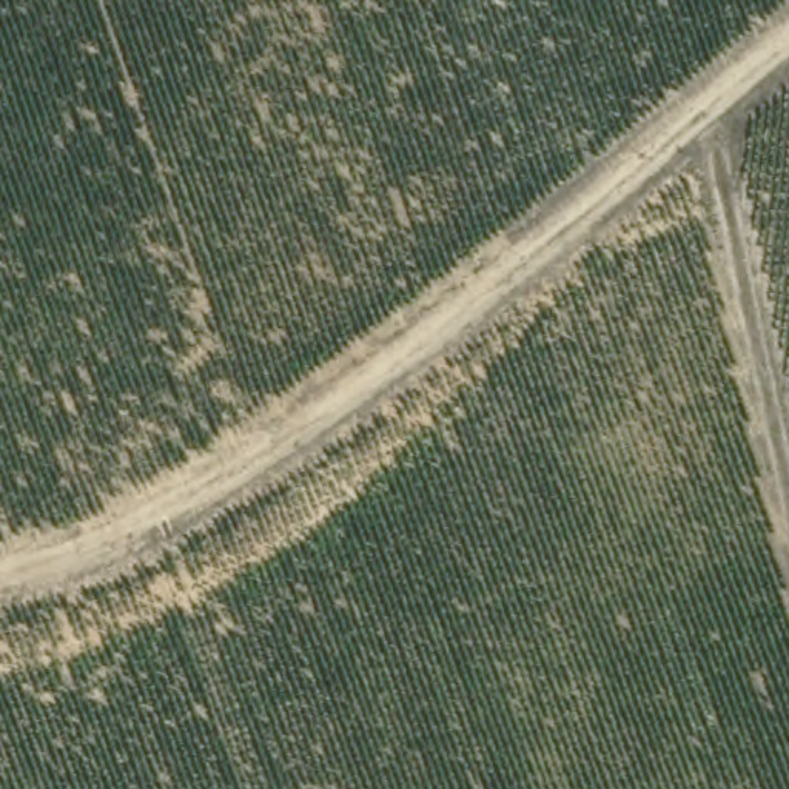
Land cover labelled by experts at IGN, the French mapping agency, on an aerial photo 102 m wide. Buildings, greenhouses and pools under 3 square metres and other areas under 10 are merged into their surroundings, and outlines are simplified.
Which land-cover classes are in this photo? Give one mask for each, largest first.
<instances>
[{"label":"vineyard","instance_id":"1","mask_svg":"<svg viewBox=\"0 0 789 789\"><path fill-rule=\"evenodd\" d=\"M783 0H0V539H12L22 527H62L71 521H83L102 512V505L111 496H120L133 484H145L166 468L182 465L194 450H206L222 428L240 425L250 422V416L259 407H265L271 395L287 391L296 379L321 367L324 361L336 358L351 339L382 324L395 308L413 302L431 280L444 277L465 256H472L478 243L490 240L512 219H518L555 182L567 179L576 166H583L586 157L601 154L610 139L632 129V126L641 114L656 108L666 89L684 86L721 49L740 40L749 31L752 15H771ZM755 111L743 123V154L737 160L740 176H746L749 182L746 197L752 203V225L758 228L761 262L771 277L767 290L774 299V327L783 345V373L789 376V80L780 83V92L774 99H752ZM709 237L697 219L656 237L638 240L626 250H616L613 259L604 256L601 247L589 250L583 256V284H567L564 290H555L552 305H542L536 311L518 348L496 354L481 339H447L438 351L373 388L354 410H345L327 428H321L317 438L296 444L287 456L265 465L256 478L228 490L222 499L185 512L145 533H126V552L120 558L68 570L62 576V586L55 589L59 595L37 598L28 586L0 589V789H789V616L783 607V570L777 564L771 542L774 527L758 487V459L749 444V413L737 379L730 376L734 348L721 321L724 302L715 290V274L706 256Z\"/></svg>","mask_w":789,"mask_h":789},{"label":"herbaceous vegetation","instance_id":"2","mask_svg":"<svg viewBox=\"0 0 789 789\"><path fill-rule=\"evenodd\" d=\"M789 18V0H783L771 15H752L749 31L740 40L721 49L684 86L666 89L656 108L641 114L632 126L641 133L650 123H660L666 111H678L690 96L703 92L712 83V77L721 68L740 62L743 52L752 43H758L777 22ZM789 80V59L777 65L767 77H761L743 99H737L712 123L709 133L678 148L672 160H666L635 191H629L601 219H595L586 237L564 247L536 274H530L524 284L499 296L481 314L478 324H468L462 330L459 339H481L496 354L518 348L536 311L542 305H552L555 290H564L567 284H583V256L589 250L601 247L604 256L613 259L616 250H626L638 240L656 237L697 219L709 237L706 256L715 274V290L724 302L721 321L734 348L730 376L737 379L749 413V444L758 459V487L774 527L771 542L777 564L783 570V607L789 616V376L783 373V345L774 327V299L767 290L771 277L761 262L758 228L752 225V203L746 197L749 182L746 176H740L737 160L743 154V123L755 111L752 99H774L780 92V83ZM632 129L610 139L601 154L586 157L583 166H576L567 179L555 182L518 219H512L490 240L478 243L472 256H465L444 277L431 280L413 302L395 308L382 324L351 339L336 358L324 361L321 367L296 379L287 391L271 395L265 407H259L250 416V422L240 425L243 431L280 428L305 404L321 401L354 370L373 364L382 348H391L407 333H413L419 321L444 308L481 271L496 265L521 237L539 228L561 206H567L576 194H583L604 170L616 166V160L632 148Z\"/></svg>","mask_w":789,"mask_h":789},{"label":"pervious surface","instance_id":"3","mask_svg":"<svg viewBox=\"0 0 789 789\"><path fill-rule=\"evenodd\" d=\"M789 59V18L777 22L758 43H752L743 52L740 62L721 68L712 77V83L703 92L690 96L678 111H666L660 123H650L641 133L632 126V148L616 160V166L604 170L583 194H576L567 206H561L539 228L521 237L496 265L481 271L444 308L419 321L413 333H407L391 348H382L373 364L354 370L321 401L305 404L280 428L243 431L240 425L222 428L206 450H194L182 465L166 468L145 484H133L120 496H111L102 505V512L83 521H71L62 527H22L12 539H0V589L28 586L37 598L59 595L55 589L62 586V576L68 570L120 558L126 552V533H145L185 512L222 499L228 490L256 478L265 465L287 456L296 444L317 438L321 428H327L345 410H354L373 388L438 351L447 339H459L462 330L468 324H478L481 314L499 296L524 284L530 274H536L564 247L586 237L595 219H601L629 191H635L666 160H672L678 148L709 133L712 123L737 99H743L761 77H767L777 65Z\"/></svg>","mask_w":789,"mask_h":789}]
</instances>
